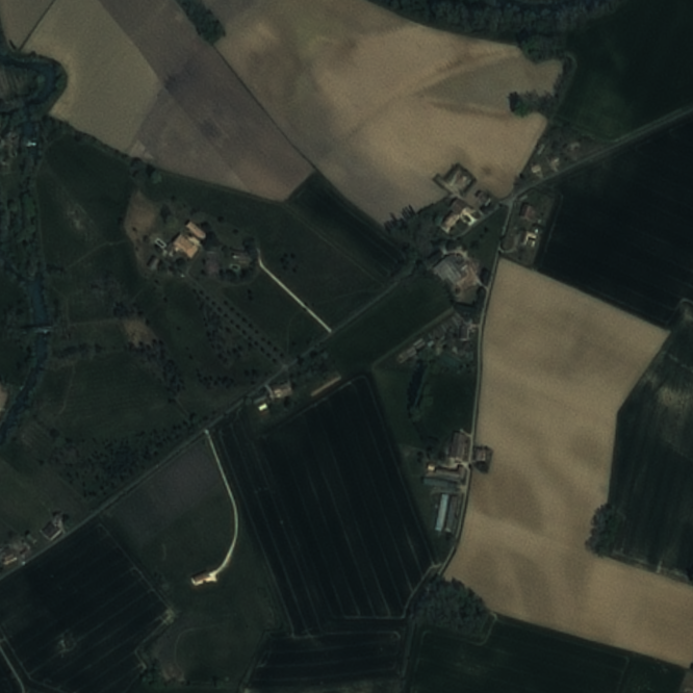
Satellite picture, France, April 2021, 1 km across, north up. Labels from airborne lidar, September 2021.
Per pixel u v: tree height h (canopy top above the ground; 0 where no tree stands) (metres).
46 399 0
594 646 0
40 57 7
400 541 0
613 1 24
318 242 0
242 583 0
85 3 0
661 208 0
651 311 0
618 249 0
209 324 7
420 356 11
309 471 0
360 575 0
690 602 0
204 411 0
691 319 0
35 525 0
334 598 0
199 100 0
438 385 0
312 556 0
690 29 0
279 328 0
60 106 0
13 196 0
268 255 0
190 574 0
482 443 0
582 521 0
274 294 0
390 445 0
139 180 0
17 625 0
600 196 0
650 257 0
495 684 0
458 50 0
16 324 9
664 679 0
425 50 0
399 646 0
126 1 0
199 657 0
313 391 0
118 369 0
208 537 0
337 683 0
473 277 0
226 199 0
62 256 0
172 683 8
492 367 0
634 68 0
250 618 0
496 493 0
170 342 0
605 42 0
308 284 0
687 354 0
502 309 0
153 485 0
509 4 15
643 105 0
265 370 0
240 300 0
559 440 0
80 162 0
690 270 0
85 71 0
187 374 0
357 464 0
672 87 0
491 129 0
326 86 0
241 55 0
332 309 0
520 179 9
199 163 0
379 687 0
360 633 0
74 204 0
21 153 13
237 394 0
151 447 9
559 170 0
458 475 0
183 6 12
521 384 0
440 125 0
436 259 12
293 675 0
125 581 0
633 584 0
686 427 0
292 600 0
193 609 0
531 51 26
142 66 0
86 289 0
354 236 0
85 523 0
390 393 0
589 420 0
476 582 0
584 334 0
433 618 21
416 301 0
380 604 0
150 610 0
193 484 0
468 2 0
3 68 11
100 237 0
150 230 0
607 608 0
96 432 0
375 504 0
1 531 0
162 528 0
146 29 0
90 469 13
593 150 0
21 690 0
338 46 0
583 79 0
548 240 0
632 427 0
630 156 0
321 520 0
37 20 0
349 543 0
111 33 0
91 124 0
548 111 19
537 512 0
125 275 0
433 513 0
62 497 0
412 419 13
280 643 0
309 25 0
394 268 0
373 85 0
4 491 0
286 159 0
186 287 0
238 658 0
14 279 12
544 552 0
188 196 0
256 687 0
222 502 0
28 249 16
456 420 0
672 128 0
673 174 0
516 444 0
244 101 0
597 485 0
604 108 0
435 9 18
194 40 0
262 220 0
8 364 0
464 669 0
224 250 9
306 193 0
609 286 0
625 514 0
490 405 0
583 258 0
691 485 0
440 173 0
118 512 0
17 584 0
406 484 0
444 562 0
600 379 0
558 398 0
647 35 0
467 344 7
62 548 0
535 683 0
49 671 0
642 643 0
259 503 0
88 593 0
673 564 0
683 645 0
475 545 0
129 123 0
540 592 0
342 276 0
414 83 0
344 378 0
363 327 0
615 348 0
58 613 0
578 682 0
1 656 0
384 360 0
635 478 0
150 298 0
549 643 0
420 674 0
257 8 0
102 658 0
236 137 0
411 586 0
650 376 0
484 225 0
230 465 0
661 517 0
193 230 0
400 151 0
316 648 0
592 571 0
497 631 0
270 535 0
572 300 0
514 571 0
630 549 0
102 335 0
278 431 0
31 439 0
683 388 0
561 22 29
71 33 0
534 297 0
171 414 0
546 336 0
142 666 0
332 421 0
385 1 6
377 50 0
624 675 0
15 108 14
